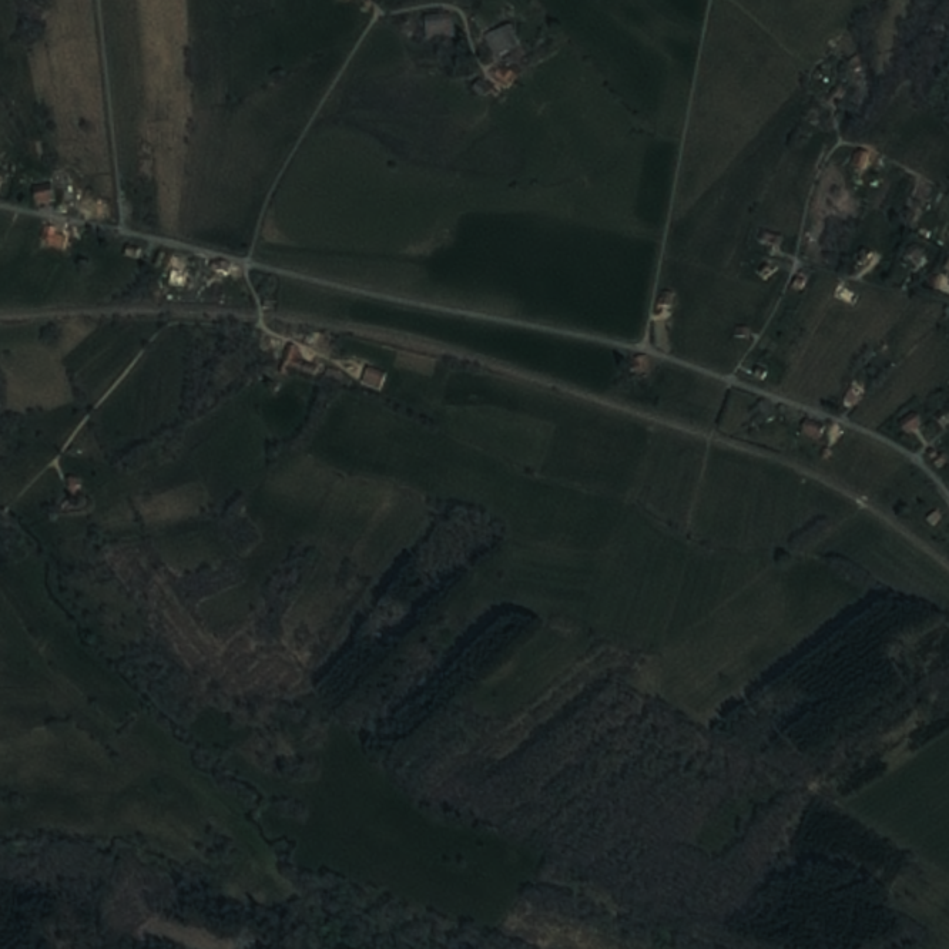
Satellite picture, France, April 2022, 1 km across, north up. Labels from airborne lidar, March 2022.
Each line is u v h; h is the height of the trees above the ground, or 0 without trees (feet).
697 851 45
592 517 0
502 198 0
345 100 0
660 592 0
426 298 0
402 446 0
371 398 39
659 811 59
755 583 0
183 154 0
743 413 0
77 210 0
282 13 0
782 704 56
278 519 0
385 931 61
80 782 0
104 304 0
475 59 64
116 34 0
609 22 0
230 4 0
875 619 85
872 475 0
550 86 0
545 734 28
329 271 0
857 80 0
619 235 0
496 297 0
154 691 64
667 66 0
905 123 0
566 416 0
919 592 0
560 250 0
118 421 0
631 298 0
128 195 0
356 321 0
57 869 52
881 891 89
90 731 0
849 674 82
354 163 0
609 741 46
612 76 0
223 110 0
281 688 0
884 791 0
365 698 39
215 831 35
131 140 0
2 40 0
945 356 0
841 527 0
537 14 0
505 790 44
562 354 0
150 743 0
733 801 49
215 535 0
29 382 0
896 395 0
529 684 0
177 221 0
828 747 75
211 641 0
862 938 73
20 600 0
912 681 83
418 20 0
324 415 62
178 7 0
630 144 0
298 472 0
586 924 57
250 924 85
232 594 0
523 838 63
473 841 0
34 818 0
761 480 0
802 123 22
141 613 27
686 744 38
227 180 0
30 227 0
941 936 0
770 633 0
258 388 0
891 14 0
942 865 0
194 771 0
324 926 35
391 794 0
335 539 0
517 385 0
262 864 0
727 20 0
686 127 0
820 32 0
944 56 47
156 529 0
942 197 0
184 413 41
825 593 0
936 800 0
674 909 61
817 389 0
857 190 0
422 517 0
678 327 0
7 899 25
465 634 0
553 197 0
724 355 0
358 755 0
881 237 0
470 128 0
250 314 0
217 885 26
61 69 0
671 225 0
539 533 0
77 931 30
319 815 0
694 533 0
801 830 27
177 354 0
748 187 0
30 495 0
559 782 49
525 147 0
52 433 0
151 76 0
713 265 0
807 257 0
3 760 0
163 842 0
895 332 0
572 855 62
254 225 0
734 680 0
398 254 0
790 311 20
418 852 0
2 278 0
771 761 52
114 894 54
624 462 0
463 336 0
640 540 0
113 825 0
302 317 0
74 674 0
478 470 0
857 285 0
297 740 0
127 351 0
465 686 78
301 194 0
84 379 0
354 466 0
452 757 58
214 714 0
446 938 62
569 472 0
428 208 0
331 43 0
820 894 89
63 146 0
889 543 0
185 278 0
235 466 0
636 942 62
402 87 0
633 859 50
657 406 19
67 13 0
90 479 0
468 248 0
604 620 0
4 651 0
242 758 0
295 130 0
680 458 0
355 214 0
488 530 43
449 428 0
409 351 0
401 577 66
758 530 0
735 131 0
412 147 0
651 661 0
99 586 0
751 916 69
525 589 0
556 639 0
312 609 0
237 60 0
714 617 0
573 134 0
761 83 0
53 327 33
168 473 0
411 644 92
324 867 0
